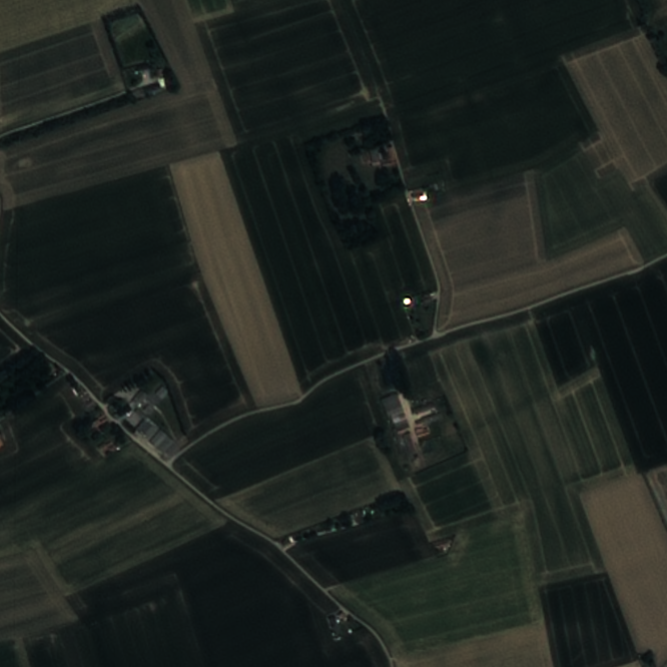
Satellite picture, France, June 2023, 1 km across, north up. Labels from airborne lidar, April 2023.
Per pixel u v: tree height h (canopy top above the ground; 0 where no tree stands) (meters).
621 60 0
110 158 0
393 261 0
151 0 0
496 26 0
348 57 0
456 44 0
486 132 0
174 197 0
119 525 0
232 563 0
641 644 0
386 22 0
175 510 0
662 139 0
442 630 0
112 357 0
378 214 0
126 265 0
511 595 0
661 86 0
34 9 0
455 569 0
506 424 0
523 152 0
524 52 0
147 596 0
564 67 0
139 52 0
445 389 0
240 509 0
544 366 0
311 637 0
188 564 0
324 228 0
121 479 0
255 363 0
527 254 0
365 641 0
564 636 0
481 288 0
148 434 0
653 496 0
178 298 0
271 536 0
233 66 0
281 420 0
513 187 0
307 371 0
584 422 0
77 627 0
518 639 0
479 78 0
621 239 0
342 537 0
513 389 0
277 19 0
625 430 0
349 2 0
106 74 0
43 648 0
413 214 0
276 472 0
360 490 0
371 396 0
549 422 0
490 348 0
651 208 0
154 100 0
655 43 11
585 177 0
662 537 0
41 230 0
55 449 0
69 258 0
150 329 0
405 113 0
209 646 0
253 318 0
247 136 0
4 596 0
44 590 0
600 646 0
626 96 0
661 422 0
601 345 0
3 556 0
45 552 0
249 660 0
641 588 0
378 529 0
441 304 0
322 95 0
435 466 0
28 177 0
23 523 0
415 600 0
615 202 0
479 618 0
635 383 0
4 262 0
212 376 0
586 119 0
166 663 0
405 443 0
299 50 0
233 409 0
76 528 0
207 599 0
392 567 0
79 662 0
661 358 0
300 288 0
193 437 0
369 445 0
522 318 0
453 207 0
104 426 11
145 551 0
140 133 0
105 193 0
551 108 0
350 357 0
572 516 0
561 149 0
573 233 0
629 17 0
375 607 0
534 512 0
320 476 0
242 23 0
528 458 0
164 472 0
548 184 0
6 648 0
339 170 0
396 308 0
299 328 0
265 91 0
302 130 0
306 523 0
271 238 0
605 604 0
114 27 0
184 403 0
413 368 0
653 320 0
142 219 0
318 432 0
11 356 0
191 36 0
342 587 0
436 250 0
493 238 0
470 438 0
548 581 0
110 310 0
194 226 0
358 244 11
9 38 0
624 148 0
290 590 0
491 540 0
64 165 0
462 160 0
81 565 0
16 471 0
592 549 0
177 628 0
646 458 0
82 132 0
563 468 0
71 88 0
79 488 0
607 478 0
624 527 0
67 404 0
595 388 0
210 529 0
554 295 0
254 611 0
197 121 0
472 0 0
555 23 0
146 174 0
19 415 0
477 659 0
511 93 0
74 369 0
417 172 0
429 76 0
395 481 0
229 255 0
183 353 0
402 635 0
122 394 0
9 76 0
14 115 0
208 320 0
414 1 0
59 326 0
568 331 0
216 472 0
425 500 0
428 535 0
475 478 0
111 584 0
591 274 0
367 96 0
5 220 0
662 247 0
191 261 0
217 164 0
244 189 0
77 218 0
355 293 0
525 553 0
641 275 0
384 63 0
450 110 0
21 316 0
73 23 0
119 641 0
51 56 0
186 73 0
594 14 0
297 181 0
